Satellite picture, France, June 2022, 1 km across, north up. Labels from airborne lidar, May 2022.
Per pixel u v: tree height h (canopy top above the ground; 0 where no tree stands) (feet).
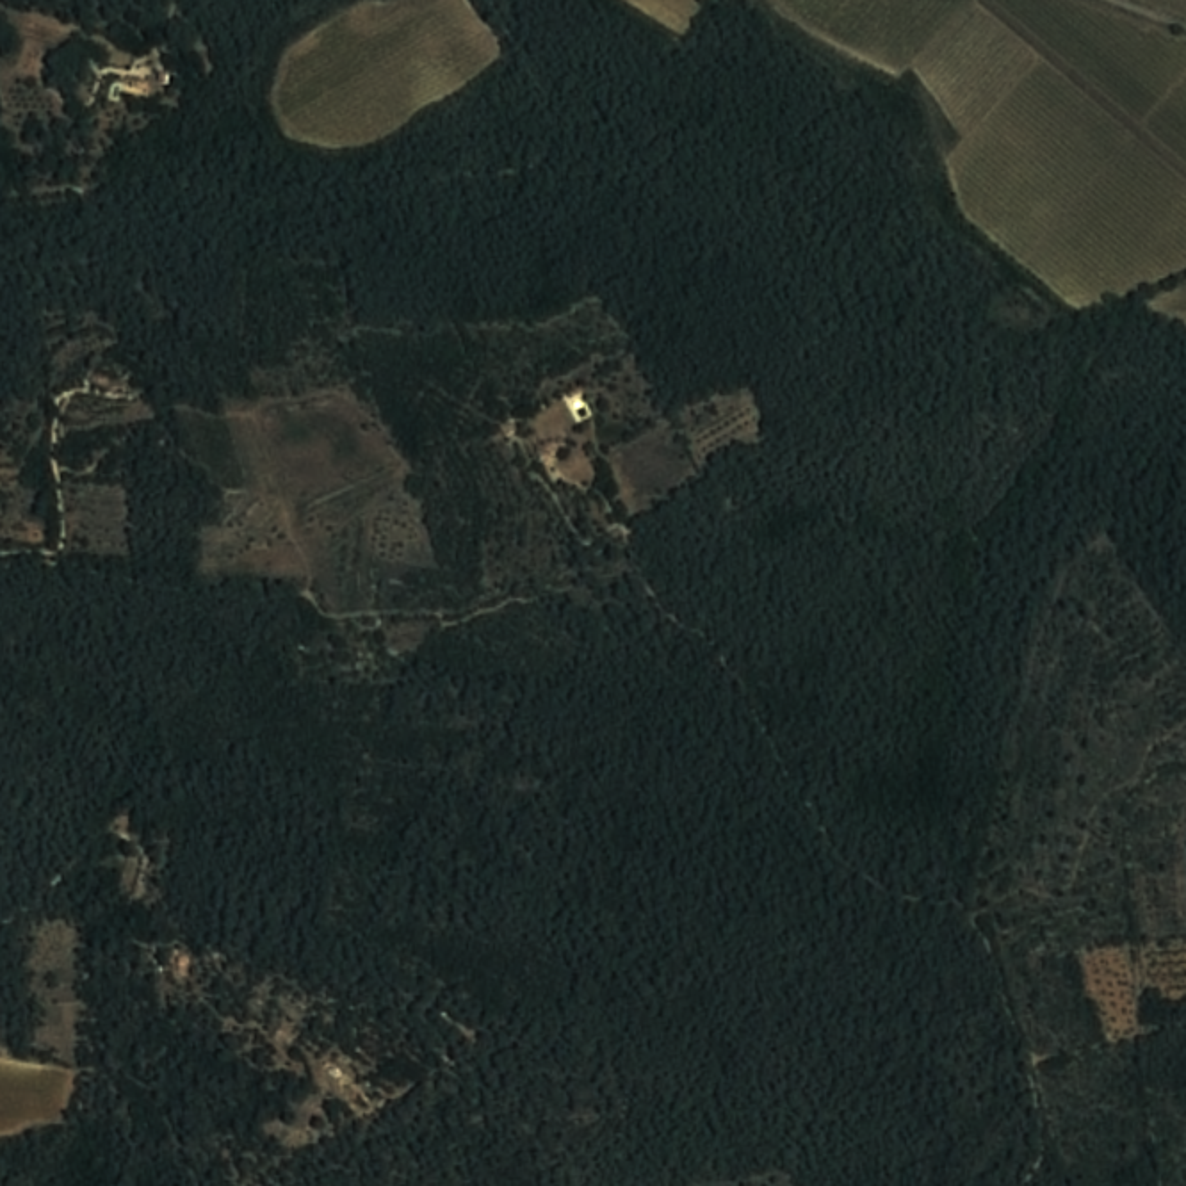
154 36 52
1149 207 0
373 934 21
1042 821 30
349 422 0
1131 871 20
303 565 0
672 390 49
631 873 45
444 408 19
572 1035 67
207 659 49
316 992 19
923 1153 55
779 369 44
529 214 46
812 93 47
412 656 22
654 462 0
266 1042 19
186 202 65
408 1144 42
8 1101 0
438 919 54
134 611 62
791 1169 39
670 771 50
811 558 58
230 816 18
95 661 45
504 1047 55
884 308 55
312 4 46
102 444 18
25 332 69
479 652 24
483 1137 50
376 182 37
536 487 22
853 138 54
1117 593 29
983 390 43
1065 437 44
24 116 25
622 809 27
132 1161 49
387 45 0
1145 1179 31
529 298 23
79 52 57
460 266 49
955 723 44
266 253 51
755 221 48
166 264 71
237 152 51
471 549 18
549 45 43
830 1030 55
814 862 46
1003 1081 44
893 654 27
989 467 26
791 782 49
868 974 53
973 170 0
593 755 26
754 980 52
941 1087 53
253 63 39
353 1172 50
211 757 25
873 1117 48
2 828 51
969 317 49
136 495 42
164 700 59
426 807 24
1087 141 0
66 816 46
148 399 19
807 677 50
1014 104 0
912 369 52
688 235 55
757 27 33
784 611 42
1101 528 66
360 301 61
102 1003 43
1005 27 0
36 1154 46
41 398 18
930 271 44
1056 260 0
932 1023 51
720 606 50
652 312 43
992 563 50
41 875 63
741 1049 64
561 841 52
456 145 37
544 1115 45
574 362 23
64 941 0
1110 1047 23
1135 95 0
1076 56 0
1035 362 30
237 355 25
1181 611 23
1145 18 0
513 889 66
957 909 54
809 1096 52
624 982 59
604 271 38
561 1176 56
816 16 0
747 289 50
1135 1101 20
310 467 0
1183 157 0
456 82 0
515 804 41
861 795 37
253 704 20
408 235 57
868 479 40
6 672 20
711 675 44
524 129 53
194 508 34
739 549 48
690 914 45
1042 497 53
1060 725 27
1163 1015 27
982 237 20
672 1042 46
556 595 51
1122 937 24
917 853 58
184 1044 23
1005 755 39
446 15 0
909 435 62
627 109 46
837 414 42
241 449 0
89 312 29
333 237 65
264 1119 57
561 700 52
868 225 64
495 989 19
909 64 0
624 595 73
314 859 46
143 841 20
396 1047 21
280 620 60
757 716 50
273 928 69
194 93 56
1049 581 45
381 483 0
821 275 52
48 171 35
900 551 56
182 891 41
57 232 47
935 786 51
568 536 20
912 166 42
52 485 30
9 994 58
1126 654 19
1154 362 41
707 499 57
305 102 0
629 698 35
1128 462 59
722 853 51
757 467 63
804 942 38
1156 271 0
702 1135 47
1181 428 63
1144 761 0
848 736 54
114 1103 52
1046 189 0
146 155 60
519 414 33
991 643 56
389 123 0
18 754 27
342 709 23
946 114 0
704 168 49
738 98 57
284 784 19
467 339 29
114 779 66
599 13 53
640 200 37
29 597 53
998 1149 50
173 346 51
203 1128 57
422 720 52
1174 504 61
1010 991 30
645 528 60
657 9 0
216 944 57
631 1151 47
